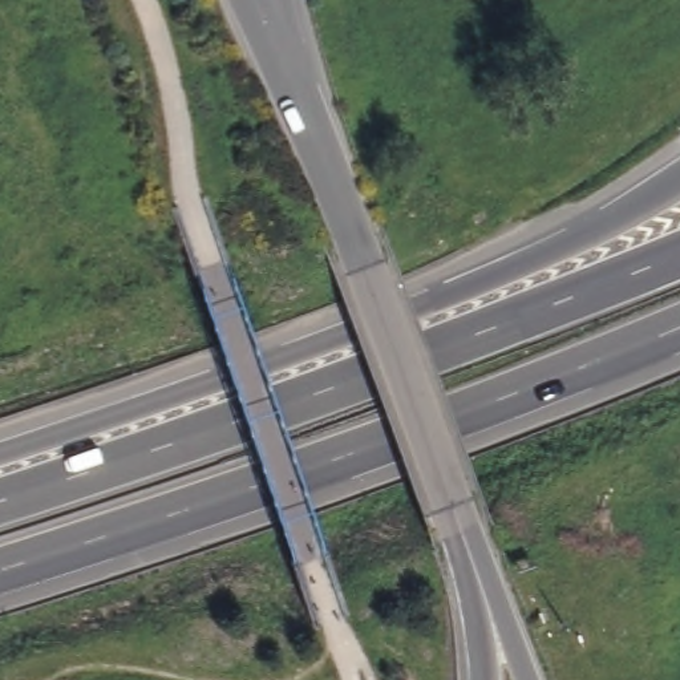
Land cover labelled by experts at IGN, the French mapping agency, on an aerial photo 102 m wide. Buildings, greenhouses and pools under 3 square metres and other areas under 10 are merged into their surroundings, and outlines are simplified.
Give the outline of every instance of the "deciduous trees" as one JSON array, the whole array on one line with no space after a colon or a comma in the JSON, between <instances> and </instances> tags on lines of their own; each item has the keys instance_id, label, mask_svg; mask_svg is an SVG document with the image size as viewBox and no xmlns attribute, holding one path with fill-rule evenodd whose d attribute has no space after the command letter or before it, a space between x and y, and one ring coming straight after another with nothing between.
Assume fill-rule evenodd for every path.
<instances>
[{"instance_id":1,"label":"deciduous trees","mask_svg":"<svg viewBox=\"0 0 680 680\"><path fill-rule=\"evenodd\" d=\"M274 640L260 638L255 643L255 656L266 661L268 669L276 675L282 669L279 648Z\"/></svg>"},{"instance_id":2,"label":"deciduous trees","mask_svg":"<svg viewBox=\"0 0 680 680\"><path fill-rule=\"evenodd\" d=\"M228 630L242 614L239 598L231 590L215 590L207 598L210 619L220 630Z\"/></svg>"},{"instance_id":3,"label":"deciduous trees","mask_svg":"<svg viewBox=\"0 0 680 680\"><path fill-rule=\"evenodd\" d=\"M377 680L406 680L401 661L388 659L377 661L375 667Z\"/></svg>"},{"instance_id":4,"label":"deciduous trees","mask_svg":"<svg viewBox=\"0 0 680 680\"><path fill-rule=\"evenodd\" d=\"M444 584L438 590L425 576L406 571L393 587L375 590L372 611L385 624L406 627L420 638L430 640L449 624L433 614L436 606L441 606L446 598Z\"/></svg>"},{"instance_id":5,"label":"deciduous trees","mask_svg":"<svg viewBox=\"0 0 680 680\"><path fill-rule=\"evenodd\" d=\"M284 616L284 635L305 664L327 648L324 635L311 614L305 619Z\"/></svg>"},{"instance_id":6,"label":"deciduous trees","mask_svg":"<svg viewBox=\"0 0 680 680\"><path fill-rule=\"evenodd\" d=\"M494 109L494 114L518 133L529 133L539 122L560 125L574 104L574 88L568 80L563 45L555 40L547 24L534 19L531 37L526 43L507 45L502 50L505 80L489 74L486 90L481 93L481 98Z\"/></svg>"},{"instance_id":7,"label":"deciduous trees","mask_svg":"<svg viewBox=\"0 0 680 680\"><path fill-rule=\"evenodd\" d=\"M417 149L412 143L417 143L417 135L398 130L393 138L383 143L380 162L369 170L372 183L375 183L385 173L398 173L404 165L412 165L412 159L417 157Z\"/></svg>"}]
</instances>

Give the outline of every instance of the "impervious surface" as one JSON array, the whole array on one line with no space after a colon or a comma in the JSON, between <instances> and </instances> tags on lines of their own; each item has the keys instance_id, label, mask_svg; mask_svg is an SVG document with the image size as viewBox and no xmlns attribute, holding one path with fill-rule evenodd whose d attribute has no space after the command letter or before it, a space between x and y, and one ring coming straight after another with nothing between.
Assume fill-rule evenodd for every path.
<instances>
[{"instance_id":1,"label":"impervious surface","mask_svg":"<svg viewBox=\"0 0 680 680\"><path fill-rule=\"evenodd\" d=\"M388 231L385 226L380 226L383 210L375 207L375 183L372 183L356 189L353 146L332 104L332 82L311 11L313 0L218 0L226 27L239 45L242 58L266 88L276 120L290 125L290 149L313 191L319 215L332 239L327 252L327 271L332 282L332 305L258 332L244 305L239 282L220 260L218 239L202 205L189 104L159 0L133 0L157 72L167 125L170 181L175 207L181 215L181 223L167 231L178 247L189 239L183 271L197 300L207 351L0 420L0 614L255 529L266 529L274 537L284 531L295 566L303 576L303 587L311 600L311 614L324 635L327 648L335 659L340 680L377 680L375 667L361 651L361 643L353 635L351 624L345 622L348 608L343 592L337 590L327 537L319 526L321 515L351 502L359 502L369 494L385 491L390 486L404 486L409 497L417 494L420 499L433 539L433 555L444 574L444 584L446 598L452 606L454 624L457 680L547 680L537 659L534 643L529 638L526 619L518 611L513 587L507 582L502 553L497 550L489 534L489 513L470 465L470 454L505 438L521 436L526 430L542 428L547 422L563 420L574 412L603 404L608 398L624 396L648 383L653 383L653 388L664 388L680 380L680 298L651 311L643 311L638 316L630 316L624 321L616 321L611 327L603 327L579 340L571 340L566 345L558 345L553 351L545 351L534 359L462 383L457 388L444 388L441 377L468 364L513 351L518 345L558 335L563 329L571 329L576 324L619 311L624 305L632 305L638 300L645 300L680 284L680 135L667 141L651 157L640 159L598 191L576 202L566 202L531 220L505 226L494 236L468 250L457 250L454 255L441 258L430 266L420 266L414 271L401 271Z\"/></svg>"}]
</instances>

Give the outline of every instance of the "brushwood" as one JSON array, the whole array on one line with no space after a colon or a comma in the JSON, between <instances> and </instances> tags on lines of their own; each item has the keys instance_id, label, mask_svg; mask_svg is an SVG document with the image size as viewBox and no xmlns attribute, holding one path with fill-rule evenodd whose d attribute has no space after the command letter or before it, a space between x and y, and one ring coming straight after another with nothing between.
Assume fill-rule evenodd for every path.
<instances>
[{"instance_id":1,"label":"brushwood","mask_svg":"<svg viewBox=\"0 0 680 680\"><path fill-rule=\"evenodd\" d=\"M114 114L122 125L120 130L130 141L130 162L138 170L138 183L133 186L133 202L138 210L135 231L167 231L181 223L181 215L175 207L170 181L167 125L157 72L133 0L82 0L85 24L93 32L88 50L93 64L90 77L98 96L114 101Z\"/></svg>"}]
</instances>

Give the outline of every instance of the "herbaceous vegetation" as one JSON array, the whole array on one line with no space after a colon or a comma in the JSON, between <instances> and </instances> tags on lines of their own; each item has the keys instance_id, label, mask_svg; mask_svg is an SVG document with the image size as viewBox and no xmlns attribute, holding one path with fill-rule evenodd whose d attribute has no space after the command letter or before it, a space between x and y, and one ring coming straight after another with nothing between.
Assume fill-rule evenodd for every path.
<instances>
[{"instance_id":1,"label":"herbaceous vegetation","mask_svg":"<svg viewBox=\"0 0 680 680\"><path fill-rule=\"evenodd\" d=\"M632 305L624 305L619 311L576 324L571 329L563 329L558 335L518 345L513 351L468 364L441 377L444 388L457 388L462 383L534 359L545 351L553 351L558 345L566 345L571 340L579 340L603 327L611 327L616 321L624 321L630 316L638 316L643 311L651 311L680 298L680 284L645 300L638 300Z\"/></svg>"},{"instance_id":2,"label":"herbaceous vegetation","mask_svg":"<svg viewBox=\"0 0 680 680\"><path fill-rule=\"evenodd\" d=\"M351 624L353 635L361 643L361 651L375 667L377 661L388 659L401 661L406 680L457 680L454 624L452 606L446 598L441 606L436 606L433 614L449 624L430 640L420 638L406 627L385 624L372 611L375 590L393 587L406 571L425 576L438 590L444 584L444 574L433 555L433 539L420 499L417 494L409 497L404 486L390 486L385 491L369 494L359 502L351 502L321 515L319 526L327 537L337 590L343 592L348 608L345 622Z\"/></svg>"},{"instance_id":3,"label":"herbaceous vegetation","mask_svg":"<svg viewBox=\"0 0 680 680\"><path fill-rule=\"evenodd\" d=\"M88 50L93 32L85 24L82 0L0 0L0 420L207 351L197 300L183 271L189 239L178 247L167 231L135 231L138 210L133 202L133 186L138 183L138 170L130 162L130 141L120 130L122 125L114 114L114 101L98 96L90 77L93 64Z\"/></svg>"},{"instance_id":4,"label":"herbaceous vegetation","mask_svg":"<svg viewBox=\"0 0 680 680\"><path fill-rule=\"evenodd\" d=\"M531 220L566 202L576 202L598 191L640 159L651 157L667 141L680 135L680 0L313 0L311 11L332 82L332 104L353 146L356 189L372 183L369 170L380 162L383 143L393 138L398 130L417 135L417 143L412 143L417 149L417 157L412 159L412 165L404 165L398 173L385 173L375 183L375 207L383 210L380 226L385 226L388 231L401 271L414 271L420 266L430 266L441 258L454 255L457 250L468 250L494 236L505 226ZM534 19L547 24L555 40L563 45L568 80L574 88L574 104L560 125L539 122L529 133L518 133L494 114L494 109L481 98L481 93L486 90L489 74L505 80L502 50L507 45L526 43L531 37Z\"/></svg>"},{"instance_id":5,"label":"herbaceous vegetation","mask_svg":"<svg viewBox=\"0 0 680 680\"><path fill-rule=\"evenodd\" d=\"M574 412L563 420L547 422L542 428L526 430L521 436L505 438L470 454L470 465L489 513L489 534L497 550L502 553L507 582L513 587L518 611L526 619L529 638L534 643L537 659L547 680L680 680L680 380L664 388L653 388L653 383L648 383L624 396L608 398L603 404Z\"/></svg>"},{"instance_id":6,"label":"herbaceous vegetation","mask_svg":"<svg viewBox=\"0 0 680 680\"><path fill-rule=\"evenodd\" d=\"M207 598L215 590L231 590L239 598L242 614L228 630L220 630L210 619ZM305 619L311 614L311 600L303 587L303 576L295 566L284 531L274 537L266 529L255 529L0 614L0 680L340 680L335 659L327 648L305 664L284 635L284 616ZM266 661L255 656L255 643L260 638L274 640L279 648L282 669L276 675L268 669Z\"/></svg>"},{"instance_id":7,"label":"herbaceous vegetation","mask_svg":"<svg viewBox=\"0 0 680 680\"><path fill-rule=\"evenodd\" d=\"M239 45L226 27L218 0L159 0L189 104L202 205L218 239L220 260L239 282L244 305L258 332L332 305L332 282L327 271L327 252L332 239L319 215L313 191L290 149L290 125L276 120L266 88L242 58Z\"/></svg>"}]
</instances>

